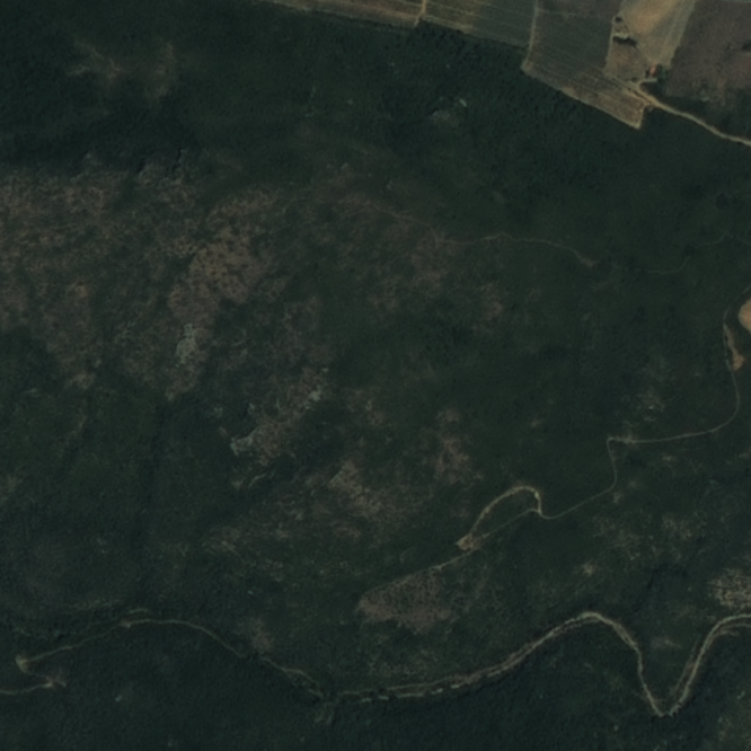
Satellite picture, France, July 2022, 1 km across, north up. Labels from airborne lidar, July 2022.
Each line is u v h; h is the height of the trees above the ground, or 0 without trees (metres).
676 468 0
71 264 0
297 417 0
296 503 0
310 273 0
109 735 6
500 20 0
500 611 6
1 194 0
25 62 8
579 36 0
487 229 0
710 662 6
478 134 6
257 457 0
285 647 7
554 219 0
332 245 0
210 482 0
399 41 7
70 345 0
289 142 0
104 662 6
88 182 0
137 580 8
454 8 0
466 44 15
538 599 7
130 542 10
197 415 6
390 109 7
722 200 6
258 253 0
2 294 0
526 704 7
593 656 6
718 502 0
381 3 0
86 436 7
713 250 0
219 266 0
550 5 0
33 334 0
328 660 6
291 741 6
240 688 7
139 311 0
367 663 6
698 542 7
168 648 6
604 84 0
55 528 5
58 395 7
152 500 8
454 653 7
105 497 7
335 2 0
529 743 7
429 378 0
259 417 0
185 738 6
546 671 6
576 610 6
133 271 0
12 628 16
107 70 0
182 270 0
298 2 0
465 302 0
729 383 6
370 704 6
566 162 6
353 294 0
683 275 0
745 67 0
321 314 0
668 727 7
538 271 0
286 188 0
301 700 7
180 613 18
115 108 6
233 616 6
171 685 6
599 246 0
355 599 6
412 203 0
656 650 0
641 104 0
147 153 6
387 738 6
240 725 7
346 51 6
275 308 0
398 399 0
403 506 0
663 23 0
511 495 0
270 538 0
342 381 0
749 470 7
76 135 6
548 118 10
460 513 0
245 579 5
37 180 0
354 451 0
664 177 0
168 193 0
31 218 0
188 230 0
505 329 0
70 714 6
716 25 0
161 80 0
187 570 7
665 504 0
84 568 6
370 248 0
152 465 6
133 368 0
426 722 6
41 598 6
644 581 6
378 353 0
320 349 0
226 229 0
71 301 0
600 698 6
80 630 19
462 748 6
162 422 6
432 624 0
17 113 6
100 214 0
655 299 0
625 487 0
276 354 0
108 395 6
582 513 0
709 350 6
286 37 6
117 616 11
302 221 0
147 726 7
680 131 0
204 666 7
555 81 0
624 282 7
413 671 6
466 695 9
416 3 0
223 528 0
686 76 0
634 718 11
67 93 5
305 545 0
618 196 0
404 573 7
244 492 6
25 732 6
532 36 0
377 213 0
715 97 0
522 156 6
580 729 6
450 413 0
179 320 0
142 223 0
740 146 7
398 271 0
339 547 0
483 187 6
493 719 7
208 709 7
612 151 6
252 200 0
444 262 0
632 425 0
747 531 0
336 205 0
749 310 0
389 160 0
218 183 0
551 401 6
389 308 0
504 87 6
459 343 6
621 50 0
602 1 0
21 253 0
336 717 7
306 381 0
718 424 0
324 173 0
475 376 0
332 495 0
